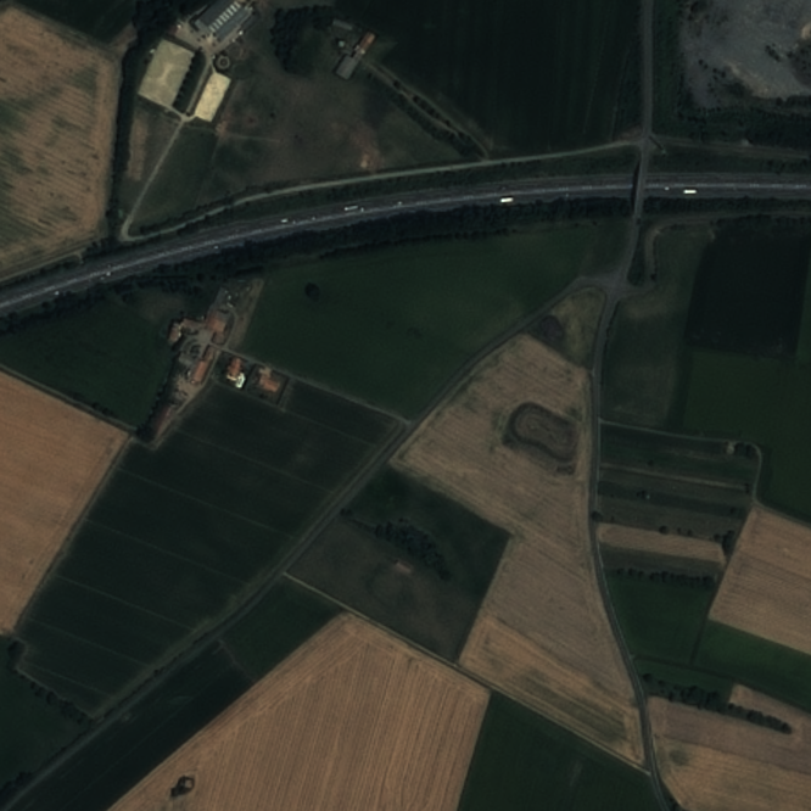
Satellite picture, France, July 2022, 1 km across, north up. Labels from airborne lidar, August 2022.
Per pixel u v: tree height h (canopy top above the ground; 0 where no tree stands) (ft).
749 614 0
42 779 0
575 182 0
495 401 0
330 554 0
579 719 0
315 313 0
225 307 0
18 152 0
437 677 0
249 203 23
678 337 0
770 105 0
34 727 0
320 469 0
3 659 0
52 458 0
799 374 0
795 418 0
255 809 0
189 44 0
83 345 0
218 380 0
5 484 0
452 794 0
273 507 0
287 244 58
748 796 0
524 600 0
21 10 0
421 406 0
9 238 0
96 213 0
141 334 0
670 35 20
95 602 0
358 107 0
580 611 0
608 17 0
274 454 0
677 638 0
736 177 0
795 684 0
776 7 0
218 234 0
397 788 0
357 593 0
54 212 0
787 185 0
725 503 0
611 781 0
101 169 0
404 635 0
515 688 0
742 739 0
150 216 0
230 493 0
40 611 0
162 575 0
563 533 0
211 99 0
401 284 0
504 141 0
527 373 0
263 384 0
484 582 0
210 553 0
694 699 33
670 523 0
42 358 0
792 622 0
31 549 0
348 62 0
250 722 0
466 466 0
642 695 0
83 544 0
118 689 0
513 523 0
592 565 0
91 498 0
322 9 31
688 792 0
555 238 0
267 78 0
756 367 0
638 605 0
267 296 0
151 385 0
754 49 0
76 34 0
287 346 0
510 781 0
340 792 0
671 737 0
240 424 0
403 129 0
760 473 0
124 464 0
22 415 0
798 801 0
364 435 0
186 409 0
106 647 0
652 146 0
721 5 0
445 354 0
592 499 0
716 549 0
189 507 0
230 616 0
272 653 0
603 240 0
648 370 0
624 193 0
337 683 0
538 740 0
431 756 0
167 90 0
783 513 0
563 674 0
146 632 0
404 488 0
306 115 0
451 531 0
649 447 0
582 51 0
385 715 0
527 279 0
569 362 0
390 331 0
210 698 0
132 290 57
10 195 0
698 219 0
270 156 0
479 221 57
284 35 25
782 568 0
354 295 0
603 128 0
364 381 0
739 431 0
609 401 0
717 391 0
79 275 0
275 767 0
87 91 0
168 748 0
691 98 27
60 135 0
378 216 0
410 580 0
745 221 33
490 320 0
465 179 26
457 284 0
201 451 0
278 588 0
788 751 0
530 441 0
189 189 0
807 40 0
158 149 0
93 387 0
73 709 38
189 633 0
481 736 0
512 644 0
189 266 30
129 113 43
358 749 0
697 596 0
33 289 0
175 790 23
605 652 0
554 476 0
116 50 0
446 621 0
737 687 0
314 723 0
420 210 0
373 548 0
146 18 46
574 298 0
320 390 0
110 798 0
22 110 0
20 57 0
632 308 0
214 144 0
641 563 0
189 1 67
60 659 0
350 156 0
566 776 0
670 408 0
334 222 0
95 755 0
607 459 0
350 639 0
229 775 0
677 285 0
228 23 0
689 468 0
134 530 0
